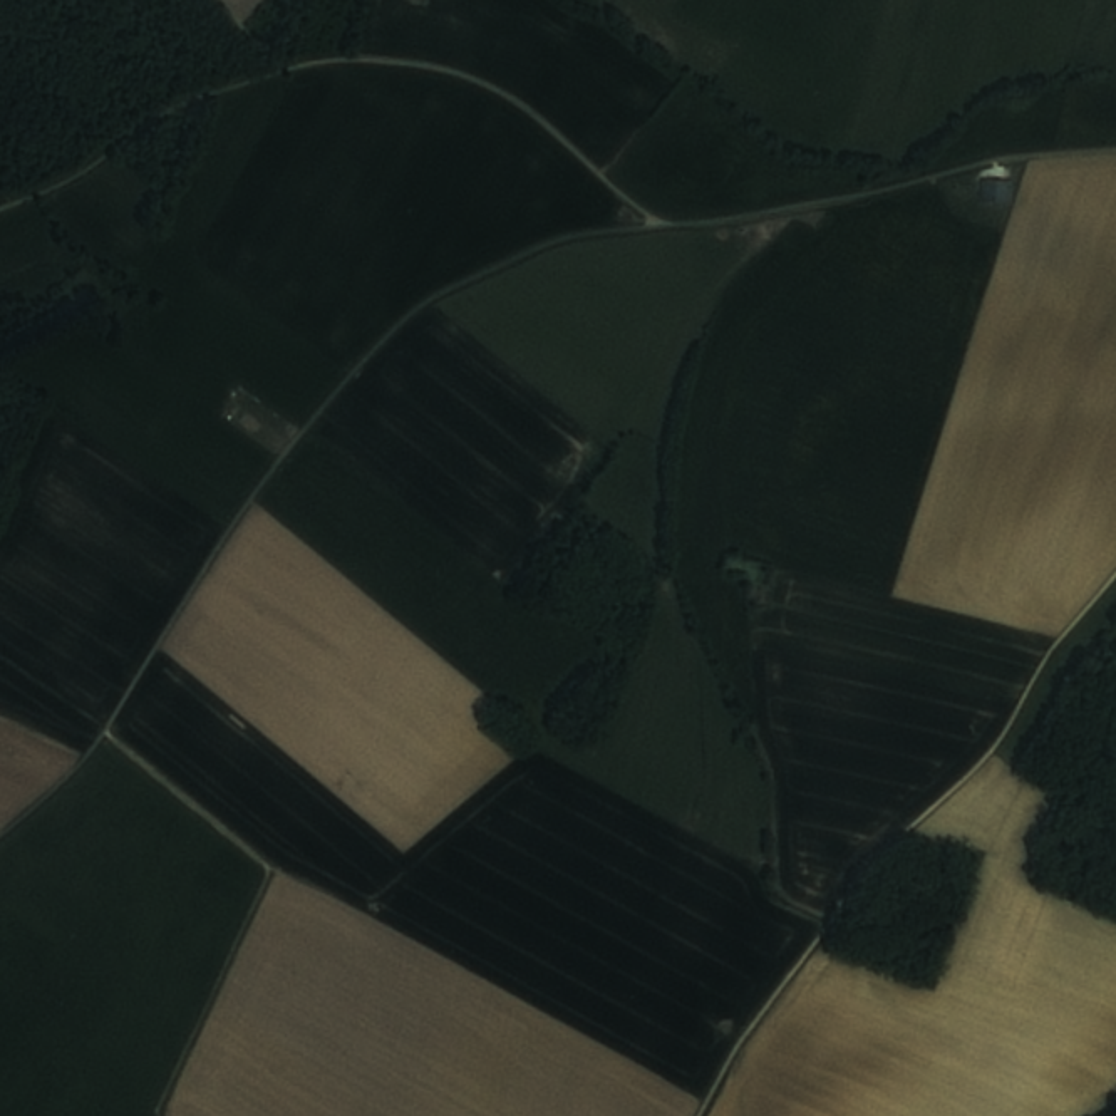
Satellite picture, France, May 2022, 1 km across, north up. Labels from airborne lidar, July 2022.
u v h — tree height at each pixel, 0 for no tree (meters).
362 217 0
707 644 8
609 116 0
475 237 0
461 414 0
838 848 0
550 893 0
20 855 0
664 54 17
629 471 0
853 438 0
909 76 0
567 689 11
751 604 10
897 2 0
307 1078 0
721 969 0
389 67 0
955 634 0
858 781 0
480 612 0
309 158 0
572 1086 0
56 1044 0
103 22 18
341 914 0
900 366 0
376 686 0
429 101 0
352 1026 0
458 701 0
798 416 0
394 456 0
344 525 0
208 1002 0
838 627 0
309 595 0
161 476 0
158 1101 0
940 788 0
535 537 0
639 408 0
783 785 0
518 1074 0
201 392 0
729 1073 0
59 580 0
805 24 0
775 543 0
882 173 21
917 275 0
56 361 0
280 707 0
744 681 0
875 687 0
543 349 0
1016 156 0
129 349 0
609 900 0
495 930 0
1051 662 0
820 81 0
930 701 0
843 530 0
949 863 24
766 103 0
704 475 0
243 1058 0
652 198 0
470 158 0
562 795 0
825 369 0
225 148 0
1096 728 26
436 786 0
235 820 0
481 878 0
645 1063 0
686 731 0
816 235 0
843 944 24
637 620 24
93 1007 0
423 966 0
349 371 0
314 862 0
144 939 0
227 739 0
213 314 0
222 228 0
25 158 20
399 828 0
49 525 0
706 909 0
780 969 0
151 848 0
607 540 22
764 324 0
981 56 0
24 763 0
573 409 0
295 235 0
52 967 0
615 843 0
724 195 0
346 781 0
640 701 0
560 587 23
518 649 0
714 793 0
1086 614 0
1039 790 17
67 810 0
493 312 0
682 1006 0
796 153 18
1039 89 16
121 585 0
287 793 0
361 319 0
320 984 0
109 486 0
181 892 0
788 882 0
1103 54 0
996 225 0
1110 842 29
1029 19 0
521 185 0
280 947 0
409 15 0
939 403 0
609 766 0
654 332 0
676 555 16
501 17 0
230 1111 0
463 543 0
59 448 0
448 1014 0
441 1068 0
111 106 21
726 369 0
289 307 0
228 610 0
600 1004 0
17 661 0
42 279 0
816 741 0
